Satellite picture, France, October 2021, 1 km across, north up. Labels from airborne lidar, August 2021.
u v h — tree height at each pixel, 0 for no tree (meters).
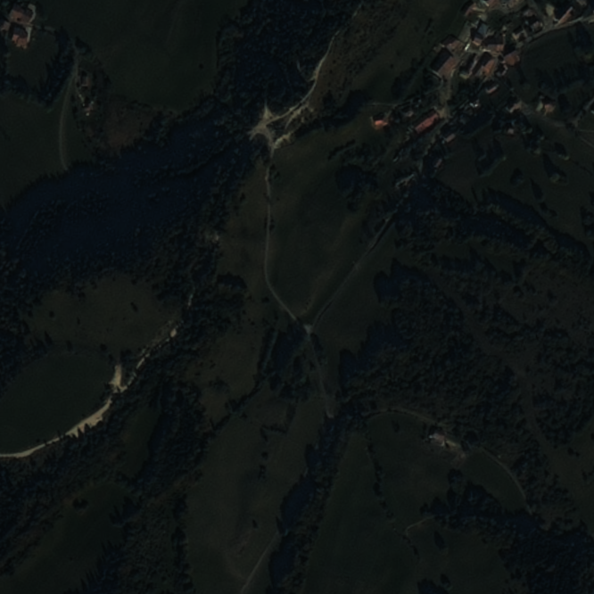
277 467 0
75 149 0
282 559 0
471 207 11
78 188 0
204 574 0
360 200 26
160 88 0
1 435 0
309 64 11
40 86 0
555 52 0
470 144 0
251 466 0
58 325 0
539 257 26
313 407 0
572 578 30
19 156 0
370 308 0
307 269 0
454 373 14
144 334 0
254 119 13
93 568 0
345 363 0
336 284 0
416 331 17
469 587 0
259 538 0
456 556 0
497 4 0
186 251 23
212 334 19
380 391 8
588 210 0
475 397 12
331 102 15
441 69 0
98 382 0
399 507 0
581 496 0
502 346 14
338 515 0
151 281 15
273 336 11
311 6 6
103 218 26
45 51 0
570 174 0
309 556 12
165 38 0
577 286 7
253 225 0
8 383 25
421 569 0
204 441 11
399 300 24
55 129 0
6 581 0
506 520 8
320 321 0
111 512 0
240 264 0
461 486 10
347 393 9
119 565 14
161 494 19
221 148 14
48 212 27
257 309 0
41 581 0
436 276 0
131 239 32
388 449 0
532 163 0
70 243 22
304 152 0
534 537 18
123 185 15
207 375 0
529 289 11
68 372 0
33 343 0
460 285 13
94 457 22
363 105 24
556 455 0
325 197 0
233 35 22
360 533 0
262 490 0
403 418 0
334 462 18
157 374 15
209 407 0
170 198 23
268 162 19
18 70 0
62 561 0
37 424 0
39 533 17
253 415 0
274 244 0
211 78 0
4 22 0
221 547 0
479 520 27
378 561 0
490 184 0
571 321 0
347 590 0
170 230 26
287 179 0
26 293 25
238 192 17
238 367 0
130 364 12
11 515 17
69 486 23
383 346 19
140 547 7
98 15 0
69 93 0
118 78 0
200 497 0
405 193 11
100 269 16
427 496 0
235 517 0
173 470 21
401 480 0
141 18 0
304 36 18
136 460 0
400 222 17
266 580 0
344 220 0
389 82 0
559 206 0
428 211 30
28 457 0
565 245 10
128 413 20
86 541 0
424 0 0
